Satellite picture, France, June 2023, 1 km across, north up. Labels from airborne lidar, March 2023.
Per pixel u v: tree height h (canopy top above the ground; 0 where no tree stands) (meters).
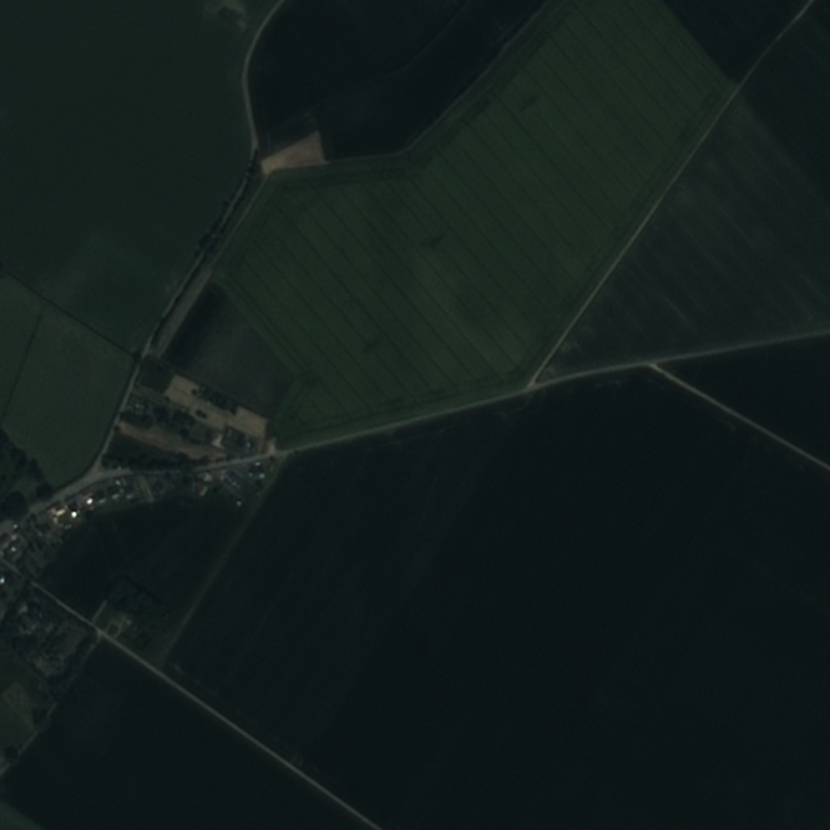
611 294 0
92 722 0
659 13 0
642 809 0
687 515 0
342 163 0
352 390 0
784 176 0
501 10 0
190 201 0
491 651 0
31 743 0
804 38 0
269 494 0
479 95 0
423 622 0
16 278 0
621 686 0
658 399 0
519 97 0
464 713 0
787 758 0
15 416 0
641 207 0
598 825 0
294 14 0
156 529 0
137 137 0
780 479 0
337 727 0
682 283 0
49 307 0
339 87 0
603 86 0
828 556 0
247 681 0
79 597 0
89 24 0
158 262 0
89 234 0
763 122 0
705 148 0
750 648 0
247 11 0
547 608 0
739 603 0
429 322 0
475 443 0
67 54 0
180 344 0
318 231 0
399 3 0
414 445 0
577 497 0
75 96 0
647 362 0
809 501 0
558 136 0
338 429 0
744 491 0
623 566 0
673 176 0
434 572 0
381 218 0
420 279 0
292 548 0
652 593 0
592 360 0
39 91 0
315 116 0
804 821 0
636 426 0
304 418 0
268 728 0
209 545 0
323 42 0
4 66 0
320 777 0
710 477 0
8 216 0
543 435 0
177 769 0
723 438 0
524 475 0
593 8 0
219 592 0
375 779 0
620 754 0
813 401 0
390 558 0
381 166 0
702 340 0
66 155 0
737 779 0
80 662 14
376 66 0
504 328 0
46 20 0
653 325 0
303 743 0
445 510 0
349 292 0
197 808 0
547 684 0
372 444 0
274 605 0
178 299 6
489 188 0
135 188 0
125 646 0
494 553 0
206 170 0
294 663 0
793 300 0
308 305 0
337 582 0
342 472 0
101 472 0
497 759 0
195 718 0
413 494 0
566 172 0
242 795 0
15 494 0
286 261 0
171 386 0
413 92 0
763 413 0
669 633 0
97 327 0
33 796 0
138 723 0
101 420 0
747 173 0
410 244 0
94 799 0
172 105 0
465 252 0
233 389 0
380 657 0
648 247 0
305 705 0
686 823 0
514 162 0
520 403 0
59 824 0
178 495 0
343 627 0
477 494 0
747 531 0
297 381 0
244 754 0
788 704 0
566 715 0
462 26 0
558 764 0
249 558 0
